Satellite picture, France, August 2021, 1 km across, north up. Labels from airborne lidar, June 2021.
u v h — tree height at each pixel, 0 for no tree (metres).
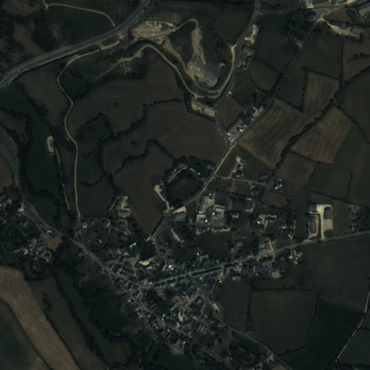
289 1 0
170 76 0
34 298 0
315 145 0
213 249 0
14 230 7
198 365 0
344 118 0
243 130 0
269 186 0
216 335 8
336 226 0
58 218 13
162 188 7
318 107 0
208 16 0
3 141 0
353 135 0
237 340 0
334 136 0
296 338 0
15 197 0
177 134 0
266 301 0
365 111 0
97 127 0
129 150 0
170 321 0
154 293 12
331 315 0
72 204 0
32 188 8
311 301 0
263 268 6
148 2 0
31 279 12
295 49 0
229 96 0
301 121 0
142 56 0
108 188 0
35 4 0
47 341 0
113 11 0
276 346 0
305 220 0
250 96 0
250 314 10
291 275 0
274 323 0
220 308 0
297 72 0
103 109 0
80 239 10
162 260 0
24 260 8
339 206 0
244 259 0
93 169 0
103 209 0
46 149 0
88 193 0
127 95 0
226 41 0
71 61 0
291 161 0
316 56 0
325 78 0
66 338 0
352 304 0
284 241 0
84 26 0
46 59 0
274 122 0
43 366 0
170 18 0
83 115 0
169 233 0
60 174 9
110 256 8
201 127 0
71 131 0
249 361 7
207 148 0
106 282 0
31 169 0
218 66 0
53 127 11
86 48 0
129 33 10
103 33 0
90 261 0
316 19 0
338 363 9
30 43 0
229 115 0
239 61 0
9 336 0
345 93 0
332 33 0
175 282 0
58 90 0
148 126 0
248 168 0
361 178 0
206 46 0
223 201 0
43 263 9
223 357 6
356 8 11
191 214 0
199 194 0
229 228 0
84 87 0
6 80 0
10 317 0
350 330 0
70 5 0
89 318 9
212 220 0
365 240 0
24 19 10
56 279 8
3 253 9
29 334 0
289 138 0
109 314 0
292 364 0
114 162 0
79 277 26
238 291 0
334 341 0
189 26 0
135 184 0
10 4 0
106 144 13
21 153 15
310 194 0
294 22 12
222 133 0
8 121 0
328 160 0
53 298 0
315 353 0
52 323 9
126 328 0
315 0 0
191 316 0
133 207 0
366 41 0
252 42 0
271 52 0
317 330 0
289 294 0
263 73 0
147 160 0
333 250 0
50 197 14
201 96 0
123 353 0
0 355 0
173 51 0
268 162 0
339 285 0
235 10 0
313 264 0
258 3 0
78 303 0
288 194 0
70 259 0
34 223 7
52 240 0
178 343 0
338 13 0
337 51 0
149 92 0
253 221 14
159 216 0
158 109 0
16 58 0
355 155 0
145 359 18
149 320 7
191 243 0
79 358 0
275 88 11
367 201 0
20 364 0
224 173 0
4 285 0
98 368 0
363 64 0
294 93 0
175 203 8
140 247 19
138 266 0
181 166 0
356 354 0
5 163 0
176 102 7
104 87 0
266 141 0
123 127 0
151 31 0
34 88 0
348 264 0
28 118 12
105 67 0
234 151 0
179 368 0
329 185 0
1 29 8
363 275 0
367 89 0
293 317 0
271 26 0
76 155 0
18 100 0
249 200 0
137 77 8
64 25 0
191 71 0
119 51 0
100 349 10
